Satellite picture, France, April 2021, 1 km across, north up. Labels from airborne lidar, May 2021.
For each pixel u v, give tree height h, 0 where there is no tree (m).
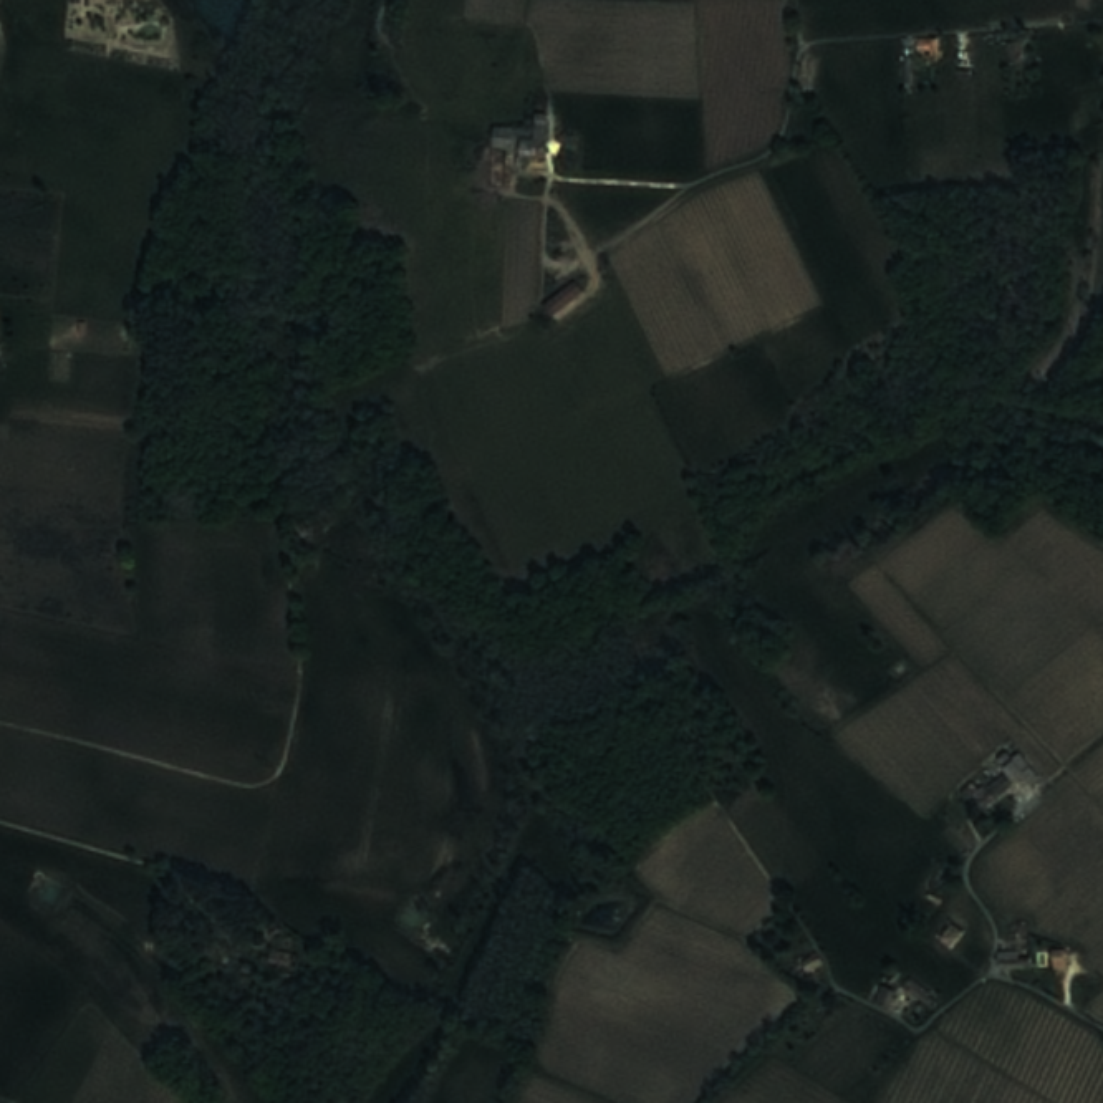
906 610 0
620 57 0
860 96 0
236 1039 12
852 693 0
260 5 15
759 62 0
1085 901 0
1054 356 0
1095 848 0
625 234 0
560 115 0
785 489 13
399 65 0
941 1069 0
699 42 0
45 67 0
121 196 0
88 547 0
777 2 0
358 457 17
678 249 0
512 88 0
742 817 0
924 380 20
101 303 0
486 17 0
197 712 0
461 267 0
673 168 0
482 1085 0
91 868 0
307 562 20
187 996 25
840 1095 0
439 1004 18
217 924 17
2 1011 0
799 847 0
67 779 0
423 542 24
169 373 16
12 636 0
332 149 0
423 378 0
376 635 0
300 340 7
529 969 25
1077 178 18
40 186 12
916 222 22
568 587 21
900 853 0
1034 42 7
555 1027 0
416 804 0
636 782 18
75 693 0
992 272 13
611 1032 0
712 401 0
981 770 0
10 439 0
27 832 0
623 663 26
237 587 0
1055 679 0
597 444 0
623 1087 0
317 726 0
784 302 0
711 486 9
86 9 0
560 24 0
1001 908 0
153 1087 0
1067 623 0
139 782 0
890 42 0
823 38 0
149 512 7
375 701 0
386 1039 22
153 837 0
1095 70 0
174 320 28
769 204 0
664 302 0
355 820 0
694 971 0
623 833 25
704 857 0
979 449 21
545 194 0
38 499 0
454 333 0
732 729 24
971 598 0
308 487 28
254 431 17
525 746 19
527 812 16
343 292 24
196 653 0
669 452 0
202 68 0
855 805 0
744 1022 0
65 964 0
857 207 0
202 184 20
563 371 0
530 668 22
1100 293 0
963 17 0
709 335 0
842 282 0
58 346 0
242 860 0
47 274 0
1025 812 0
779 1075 0
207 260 23
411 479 23
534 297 0
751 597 16
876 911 0
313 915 0
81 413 0
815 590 0
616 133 0
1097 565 0
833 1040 0
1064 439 17
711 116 0
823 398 11
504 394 0
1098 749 0
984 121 0
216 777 0
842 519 0
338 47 0
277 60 21
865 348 6
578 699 24
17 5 0
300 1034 19
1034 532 0
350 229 25
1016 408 15
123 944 0
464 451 0
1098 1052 0
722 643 0
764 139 0
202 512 16
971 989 0
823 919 0
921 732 0
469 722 0
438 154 0
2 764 0
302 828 0
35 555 0
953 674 0
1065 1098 0
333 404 16
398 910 0
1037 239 17
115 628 0
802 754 0
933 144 0
